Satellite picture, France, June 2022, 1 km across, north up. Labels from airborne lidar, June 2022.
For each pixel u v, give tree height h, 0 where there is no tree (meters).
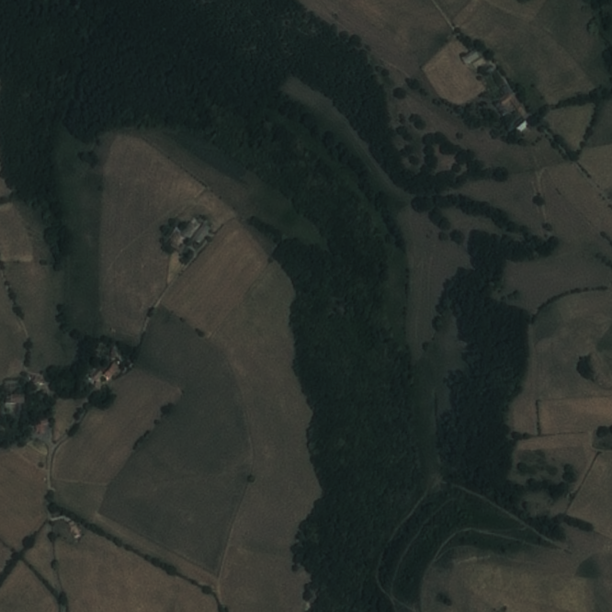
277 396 0
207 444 0
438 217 17
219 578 0
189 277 0
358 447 18
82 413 13
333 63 13
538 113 7
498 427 17
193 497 0
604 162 0
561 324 0
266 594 0
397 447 18
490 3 0
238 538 0
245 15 12
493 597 0
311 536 17
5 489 0
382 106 16
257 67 14
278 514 0
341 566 23
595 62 0
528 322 12
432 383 0
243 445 0
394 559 13
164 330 0
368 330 7
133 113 12
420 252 0
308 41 11
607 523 0
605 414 0
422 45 0
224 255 0
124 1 21
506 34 0
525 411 0
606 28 13
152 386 0
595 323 0
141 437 7
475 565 0
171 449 0
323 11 0
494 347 17
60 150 0
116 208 0
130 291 0
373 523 14
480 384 23
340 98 12
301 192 16
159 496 0
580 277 0
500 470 25
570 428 0
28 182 15
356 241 12
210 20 12
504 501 12
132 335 0
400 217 0
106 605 0
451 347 0
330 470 16
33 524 0
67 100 9
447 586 0
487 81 0
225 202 0
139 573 0
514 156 0
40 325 0
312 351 14
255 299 0
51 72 24
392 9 0
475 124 14
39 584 0
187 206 0
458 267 0
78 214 0
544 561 0
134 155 0
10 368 0
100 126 16
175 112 22
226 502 0
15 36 21
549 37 0
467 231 0
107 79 20
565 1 0
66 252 18
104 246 0
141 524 0
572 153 14
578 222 0
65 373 17
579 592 0
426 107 0
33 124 13
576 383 0
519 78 0
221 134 13
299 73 13
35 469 0
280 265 7
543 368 0
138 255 0
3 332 0
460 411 25
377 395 18
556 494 12
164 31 23
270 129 16
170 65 22
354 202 14
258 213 0
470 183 0
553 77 0
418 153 0
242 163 9
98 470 0
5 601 0
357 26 0
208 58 18
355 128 13
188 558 0
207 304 0
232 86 17
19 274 0
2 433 12
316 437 16
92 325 0
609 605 0
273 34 11
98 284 0
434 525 10
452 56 0
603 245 0
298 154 18
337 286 12
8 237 0
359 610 20
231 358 0
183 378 0
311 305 18
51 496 12
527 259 11
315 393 12
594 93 10
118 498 0
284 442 0
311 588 15
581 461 0
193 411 0
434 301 0
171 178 0
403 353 21
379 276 14
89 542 0
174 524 0
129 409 0
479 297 21
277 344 0
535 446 0
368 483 12
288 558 0
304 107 21
